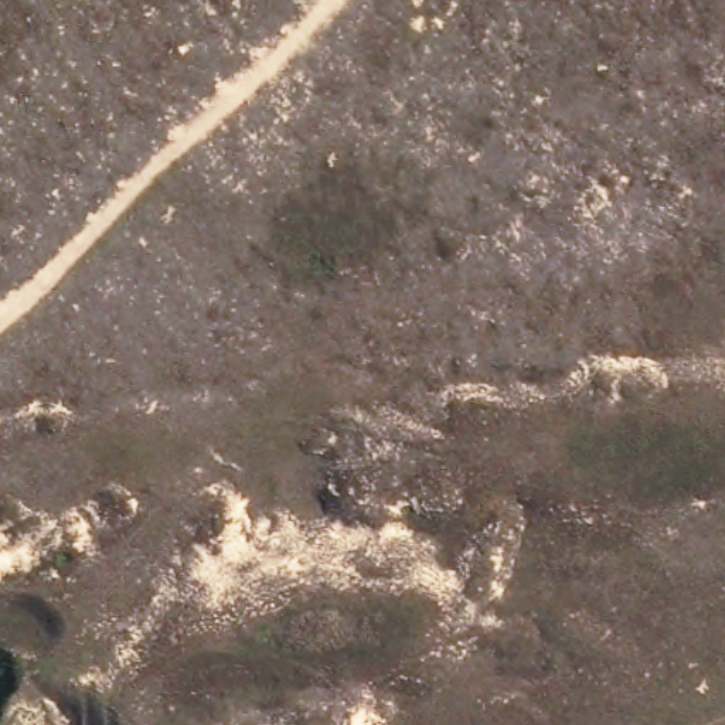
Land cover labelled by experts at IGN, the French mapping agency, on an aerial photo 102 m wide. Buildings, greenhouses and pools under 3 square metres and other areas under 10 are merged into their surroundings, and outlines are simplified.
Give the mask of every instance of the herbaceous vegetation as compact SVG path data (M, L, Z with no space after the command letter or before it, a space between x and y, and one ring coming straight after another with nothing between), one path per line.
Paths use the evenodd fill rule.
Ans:
M269 82L263 82L252 93L252 99L238 105L212 133L207 133L164 173L159 173L150 181L150 187L144 187L136 195L136 201L51 286L51 292L40 297L40 303L31 312L25 312L0 334L0 532L17 547L25 532L40 527L37 518L23 518L17 513L17 501L40 507L51 518L76 504L96 501L99 515L108 521L102 530L91 535L96 544L93 555L76 552L74 532L68 532L62 535L62 547L42 555L37 564L31 564L28 572L6 572L0 578L0 646L17 660L20 674L17 694L3 711L6 725L725 725L725 388L717 379L668 382L663 388L651 379L623 379L620 402L609 405L606 371L592 374L589 382L581 388L569 385L566 377L569 371L575 371L581 360L592 354L651 357L657 363L725 357L725 0L346 0L346 6L331 17L331 23L312 34L309 48L303 54L295 54ZM479 399L456 399L442 405L439 391L453 382L496 385L501 402L493 405ZM340 521L343 527L368 530L402 524L411 532L430 538L436 544L436 566L450 569L462 583L462 592L476 603L476 609L484 615L496 615L498 626L490 629L462 663L430 657L425 629L442 620L436 598L430 592L419 592L419 586L413 583L411 558L394 558L377 566L360 547L348 555L351 566L357 569L348 581L348 589L334 589L331 583L323 583L317 589L295 586L278 592L275 600L263 600L261 609L249 606L249 600L244 598L210 609L207 583L193 578L193 564L198 544L210 555L221 555L227 504L207 493L207 487L215 481L227 481L241 498L246 498L246 513L258 521L266 510L286 510L295 515L295 521L326 515L331 521Z
M275 48L280 40L280 28L297 23L314 0L0 0L0 300L23 283L28 283L85 227L88 215L96 212L116 193L116 184L122 178L139 173L156 150L167 144L167 133L173 127L201 113L201 102L215 96L218 82L232 79L238 71L246 71L252 65L249 57L255 45Z

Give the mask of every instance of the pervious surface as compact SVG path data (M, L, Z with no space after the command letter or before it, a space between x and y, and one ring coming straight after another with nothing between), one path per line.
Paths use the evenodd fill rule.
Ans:
M37 518L40 527L25 532L17 547L0 532L0 578L6 572L28 572L31 564L37 564L42 555L62 547L62 535L68 532L74 532L76 552L93 555L96 544L91 535L102 530L108 521L99 515L96 501L76 504L51 518L40 507L17 501L17 513L23 518Z
M96 212L88 215L85 227L28 283L23 283L0 300L0 334L25 312L31 312L40 303L40 297L51 292L51 286L136 201L136 195L144 187L150 187L150 181L159 173L164 173L207 133L212 133L238 105L252 99L252 93L263 82L269 82L295 54L303 54L309 48L312 34L331 23L331 17L346 6L346 0L314 0L297 23L280 28L280 40L275 48L255 45L249 57L252 65L246 71L238 71L232 79L218 82L215 96L201 102L201 113L173 127L167 133L167 144L156 150L139 173L122 178L116 184L116 193Z
M266 510L258 521L246 513L246 498L241 498L227 481L215 481L207 487L207 493L227 504L221 555L210 555L198 544L193 564L193 578L207 583L210 609L244 598L249 600L249 606L261 609L263 600L275 600L278 592L295 586L317 589L323 583L331 583L334 589L348 589L348 581L357 569L351 566L348 555L360 547L377 566L394 558L411 558L413 583L419 586L419 592L430 592L436 598L442 620L425 629L430 657L462 663L490 629L498 626L496 615L484 615L476 609L476 603L462 592L462 583L450 569L436 566L436 544L430 538L411 532L402 524L368 530L343 527L340 521L331 521L326 515L295 521L295 515L286 510Z
M663 388L668 382L717 379L725 388L725 357L657 363L651 357L592 354L581 360L575 371L569 371L566 377L569 385L581 388L589 382L592 374L606 371L609 405L620 402L623 379L651 379Z
M439 391L442 405L456 399L479 399L493 405L501 402L496 385L453 382Z

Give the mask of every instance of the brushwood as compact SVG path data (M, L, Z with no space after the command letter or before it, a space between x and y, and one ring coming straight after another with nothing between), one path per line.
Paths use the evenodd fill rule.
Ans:
M17 660L0 646L0 725L6 725L3 711L17 694L20 674Z

